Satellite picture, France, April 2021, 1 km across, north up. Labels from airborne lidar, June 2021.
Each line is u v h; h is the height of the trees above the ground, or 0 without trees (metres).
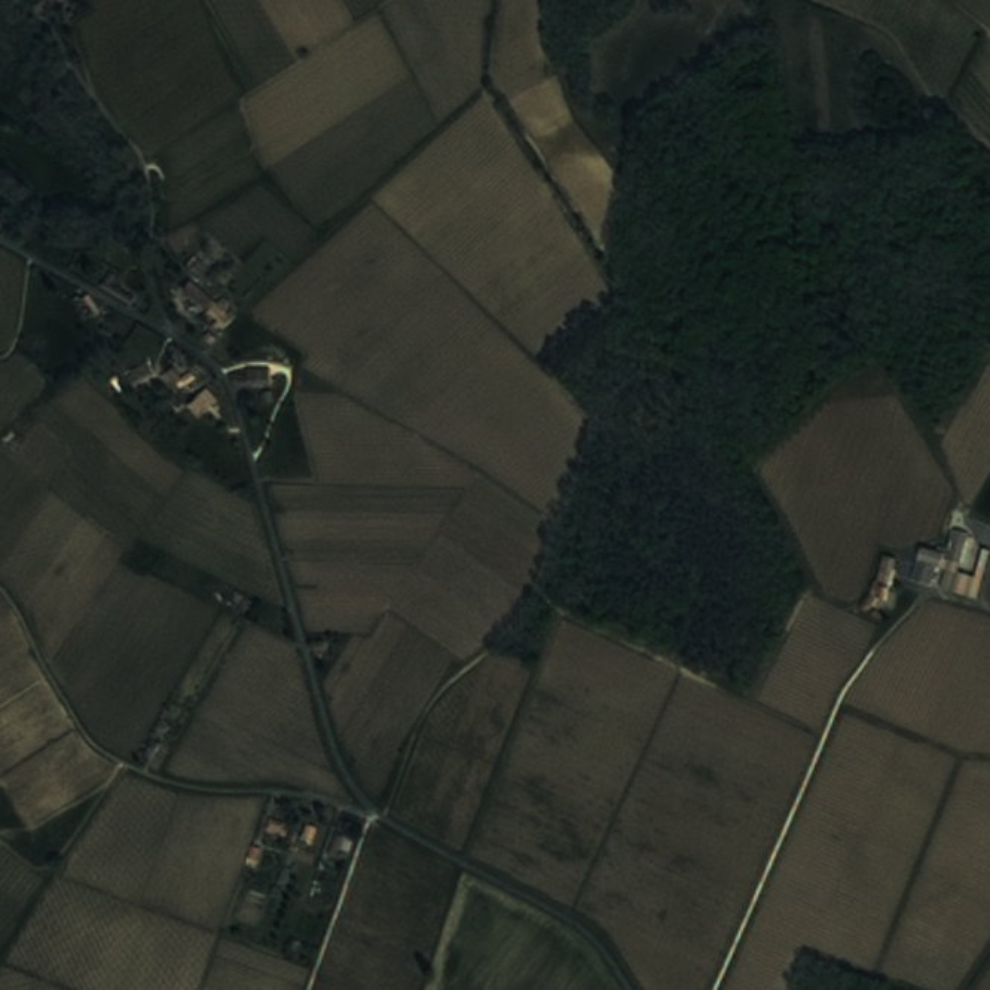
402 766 0
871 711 0
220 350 0
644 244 19
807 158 21
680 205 20
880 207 20
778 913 0
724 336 20
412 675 0
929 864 0
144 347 0
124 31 0
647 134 19
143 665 0
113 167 22
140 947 0
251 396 7
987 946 0
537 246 0
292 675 0
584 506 22
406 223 0
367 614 0
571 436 0
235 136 0
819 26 0
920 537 0
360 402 0
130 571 0
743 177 19
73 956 0
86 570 0
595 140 0
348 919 0
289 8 0
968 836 0
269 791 0
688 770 0
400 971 0
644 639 18
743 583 21
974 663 0
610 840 0
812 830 0
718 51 15
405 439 0
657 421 17
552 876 0
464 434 0
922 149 26
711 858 0
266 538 0
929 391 27
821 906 0
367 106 0
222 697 0
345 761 0
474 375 0
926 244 23
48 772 0
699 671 19
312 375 0
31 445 0
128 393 13
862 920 0
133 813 0
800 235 21
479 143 0
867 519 0
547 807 0
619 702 0
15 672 0
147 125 0
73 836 0
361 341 0
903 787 0
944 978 0
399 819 0
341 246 0
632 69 0
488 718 0
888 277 22
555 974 0
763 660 17
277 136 0
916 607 0
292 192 0
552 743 0
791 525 0
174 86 0
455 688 0
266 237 0
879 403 0
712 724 0
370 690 0
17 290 0
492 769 0
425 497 0
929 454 0
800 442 0
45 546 0
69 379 17
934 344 24
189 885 0
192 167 0
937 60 0
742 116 24
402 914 0
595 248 14
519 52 0
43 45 10
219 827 0
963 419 0
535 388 0
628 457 19
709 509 23
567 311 0
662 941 0
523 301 0
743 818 0
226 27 0
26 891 0
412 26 0
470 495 0
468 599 0
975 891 0
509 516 0
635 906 0
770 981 0
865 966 0
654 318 20
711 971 0
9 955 0
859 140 13
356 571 0
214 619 0
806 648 0
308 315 0
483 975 0
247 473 0
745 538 18
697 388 22
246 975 0
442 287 0
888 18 0
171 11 0
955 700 0
